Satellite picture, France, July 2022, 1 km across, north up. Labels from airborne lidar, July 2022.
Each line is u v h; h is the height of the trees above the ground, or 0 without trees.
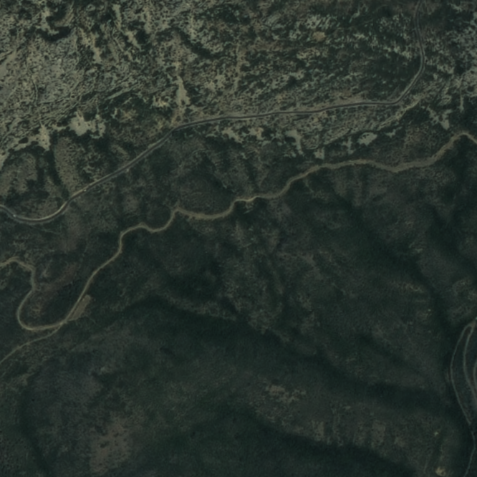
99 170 0
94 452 0
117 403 0
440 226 5
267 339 6
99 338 0
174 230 0
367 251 7
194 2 8
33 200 0
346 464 7
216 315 0
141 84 8
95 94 7
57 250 0
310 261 0
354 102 0
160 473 0
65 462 0
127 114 0
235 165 0
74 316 0
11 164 0
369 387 6
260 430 9
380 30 0
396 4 0
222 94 0
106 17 6
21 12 8
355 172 0
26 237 0
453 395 6
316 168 0
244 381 0
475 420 6
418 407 6
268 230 0
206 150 0
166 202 0
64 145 0
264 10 0
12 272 0
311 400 0
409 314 7
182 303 0
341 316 5
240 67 0
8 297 0
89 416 0
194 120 0
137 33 7
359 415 0
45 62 0
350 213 6
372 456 6
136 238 6
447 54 0
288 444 7
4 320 0
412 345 0
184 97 0
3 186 0
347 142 0
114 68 7
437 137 6
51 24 6
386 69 0
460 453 5
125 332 0
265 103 0
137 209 0
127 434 0
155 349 0
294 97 0
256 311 0
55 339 0
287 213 0
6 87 0
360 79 0
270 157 0
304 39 0
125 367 0
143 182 0
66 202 0
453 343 6
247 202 0
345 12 0
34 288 0
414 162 0
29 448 8
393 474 6
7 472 7
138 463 0
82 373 0
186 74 0
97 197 0
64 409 0
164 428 0
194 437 6
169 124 0
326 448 7
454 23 0
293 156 0
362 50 0
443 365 8
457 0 0
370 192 0
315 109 0
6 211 0
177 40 0
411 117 6
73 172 0
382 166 0
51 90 0
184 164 0
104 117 8
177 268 0
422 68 0
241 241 0
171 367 0
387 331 0
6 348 0
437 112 6
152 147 0
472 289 7
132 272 7
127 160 0
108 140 5
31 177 0
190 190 0
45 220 0
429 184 0
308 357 7
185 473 0
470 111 6
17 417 6
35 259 0
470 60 0
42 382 0
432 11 0
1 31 0
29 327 0
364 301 6
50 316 0
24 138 6
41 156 0
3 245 0
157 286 0
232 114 0
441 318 7
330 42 0
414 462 0
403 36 0
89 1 6
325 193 0
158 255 0
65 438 0
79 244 0
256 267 0
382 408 0
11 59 0
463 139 5
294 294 0
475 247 0
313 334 0
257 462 6
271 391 0
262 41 0
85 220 0
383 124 6
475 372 0
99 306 0
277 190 0
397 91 0
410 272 7
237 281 0
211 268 6
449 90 6
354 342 6
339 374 6
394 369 0
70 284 6
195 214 0
